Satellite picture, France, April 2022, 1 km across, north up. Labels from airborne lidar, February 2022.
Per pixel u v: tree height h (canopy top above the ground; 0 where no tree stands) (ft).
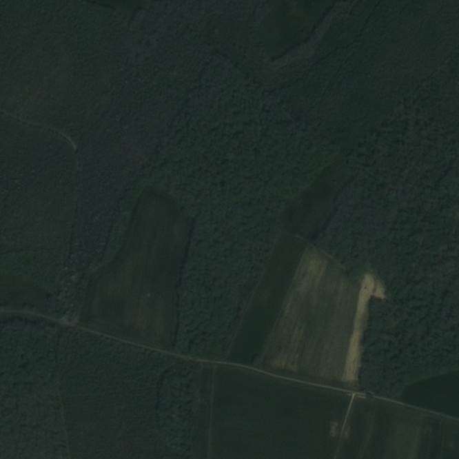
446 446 0
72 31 53
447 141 76
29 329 91
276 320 0
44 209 63
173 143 73
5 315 0
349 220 79
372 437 0
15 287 0
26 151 49
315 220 0
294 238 0
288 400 0
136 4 0
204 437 0
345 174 0
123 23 49
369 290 0
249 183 99
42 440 102
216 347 61
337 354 0
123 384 24
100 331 0
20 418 94
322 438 0
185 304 97
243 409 0
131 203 59
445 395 0
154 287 0
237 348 0
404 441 0
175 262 0
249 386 0
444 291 0
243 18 37
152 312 0
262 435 0
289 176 93
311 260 0
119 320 0
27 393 98
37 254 54
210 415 0
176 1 60
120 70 45
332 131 39
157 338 0
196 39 45
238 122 90
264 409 0
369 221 90
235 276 89
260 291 0
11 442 99
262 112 95
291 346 0
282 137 94
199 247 84
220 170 93
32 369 78
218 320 92
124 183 53
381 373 72
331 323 0
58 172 56
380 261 65
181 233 0
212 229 94
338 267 0
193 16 90
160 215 0
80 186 57
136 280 0
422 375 63
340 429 0
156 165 91
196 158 102
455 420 0
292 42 0
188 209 85
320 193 0
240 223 98
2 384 93
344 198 78
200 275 87
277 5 0
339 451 0
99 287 0
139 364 27
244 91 87
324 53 17
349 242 92
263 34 0
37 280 84
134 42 54
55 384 82
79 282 45
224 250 86
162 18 73
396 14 20
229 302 80
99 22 42
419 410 0
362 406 0
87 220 53
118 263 0
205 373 0
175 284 0
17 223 56
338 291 0
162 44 64
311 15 0
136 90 53
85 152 57
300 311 0
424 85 56
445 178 78
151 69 47
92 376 26
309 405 0
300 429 0
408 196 77
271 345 0
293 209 0
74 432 27
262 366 0
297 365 0
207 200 96
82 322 0
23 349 90
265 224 43
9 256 66
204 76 74
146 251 0
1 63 39
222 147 101
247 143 102
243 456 0
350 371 0
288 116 94
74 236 52
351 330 0
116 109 63
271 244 50
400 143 62
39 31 32
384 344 89
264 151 106
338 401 0
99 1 0
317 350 0
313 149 83
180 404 66
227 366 0
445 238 38
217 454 0
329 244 63
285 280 0
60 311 33
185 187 67
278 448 0
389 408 0
